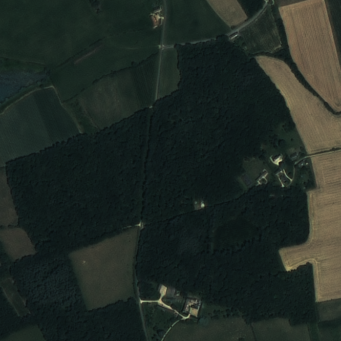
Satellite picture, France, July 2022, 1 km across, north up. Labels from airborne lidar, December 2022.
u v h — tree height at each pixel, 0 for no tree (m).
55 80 0
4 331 20
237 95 23
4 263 20
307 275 17
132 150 26
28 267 21
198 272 20
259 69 13
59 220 28
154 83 0
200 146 21
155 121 25
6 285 0
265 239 27
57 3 0
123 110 0
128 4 0
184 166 24
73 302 28
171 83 0
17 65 0
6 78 0
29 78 0
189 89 24
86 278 0
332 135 0
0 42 0
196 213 14
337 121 0
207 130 24
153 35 0
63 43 0
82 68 0
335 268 0
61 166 18
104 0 0
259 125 24
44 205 24
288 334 0
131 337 20
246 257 30
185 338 0
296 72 11
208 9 0
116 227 20
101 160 23
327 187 0
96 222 21
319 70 0
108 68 0
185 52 15
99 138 21
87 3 0
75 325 25
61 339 28
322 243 0
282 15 0
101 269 0
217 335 0
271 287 20
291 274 19
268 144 12
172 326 9
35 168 23
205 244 22
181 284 28
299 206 22
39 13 0
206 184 22
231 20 0
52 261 20
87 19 0
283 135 0
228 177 21
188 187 28
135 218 24
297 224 24
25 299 28
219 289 26
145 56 0
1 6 0
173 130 20
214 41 13
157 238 10
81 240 24
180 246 21
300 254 0
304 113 0
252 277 29
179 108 24
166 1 0
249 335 0
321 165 0
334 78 0
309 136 0
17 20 0
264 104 19
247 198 18
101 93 0
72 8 0
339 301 0
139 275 18
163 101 19
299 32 0
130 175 25
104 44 0
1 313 24
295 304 21
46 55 0
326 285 0
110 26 0
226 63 24
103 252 0
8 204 0
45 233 30
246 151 32
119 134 26
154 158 20
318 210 0
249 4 11
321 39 0
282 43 8
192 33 0
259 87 21
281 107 19
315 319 7
